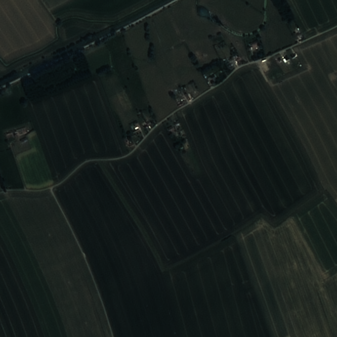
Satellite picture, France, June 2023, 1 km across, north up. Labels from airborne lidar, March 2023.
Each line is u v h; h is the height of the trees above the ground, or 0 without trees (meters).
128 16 0
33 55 0
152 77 0
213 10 0
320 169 0
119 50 0
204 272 0
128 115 0
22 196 0
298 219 0
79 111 0
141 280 0
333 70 0
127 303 0
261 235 0
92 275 0
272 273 0
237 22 0
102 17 0
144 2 0
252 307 0
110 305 0
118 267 0
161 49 0
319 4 0
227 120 0
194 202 0
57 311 0
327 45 0
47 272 0
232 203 0
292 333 0
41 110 0
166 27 0
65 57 27
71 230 0
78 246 0
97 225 0
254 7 0
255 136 0
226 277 0
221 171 0
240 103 0
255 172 0
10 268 0
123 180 0
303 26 0
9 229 0
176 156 0
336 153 0
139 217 0
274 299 0
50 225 0
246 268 0
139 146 0
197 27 0
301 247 0
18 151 0
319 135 0
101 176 0
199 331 0
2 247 0
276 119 0
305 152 0
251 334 0
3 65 0
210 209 0
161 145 0
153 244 0
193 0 0
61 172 0
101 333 0
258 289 0
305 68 0
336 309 0
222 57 0
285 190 0
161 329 0
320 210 0
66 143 0
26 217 0
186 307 0
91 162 0
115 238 0
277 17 0
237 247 0
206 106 0
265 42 0
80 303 0
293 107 0
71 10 0
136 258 0
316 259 0
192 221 0
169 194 0
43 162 0
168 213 0
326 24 0
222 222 0
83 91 0
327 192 0
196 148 0
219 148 0
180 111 0
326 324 0
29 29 0
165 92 0
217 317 0
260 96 0
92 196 0
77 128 0
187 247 0
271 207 0
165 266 0
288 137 0
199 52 0
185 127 0
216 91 0
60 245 0
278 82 0
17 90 0
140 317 0
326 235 0
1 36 0
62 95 0
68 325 0
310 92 0
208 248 0
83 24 0
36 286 0
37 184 0
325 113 0
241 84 0
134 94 0
